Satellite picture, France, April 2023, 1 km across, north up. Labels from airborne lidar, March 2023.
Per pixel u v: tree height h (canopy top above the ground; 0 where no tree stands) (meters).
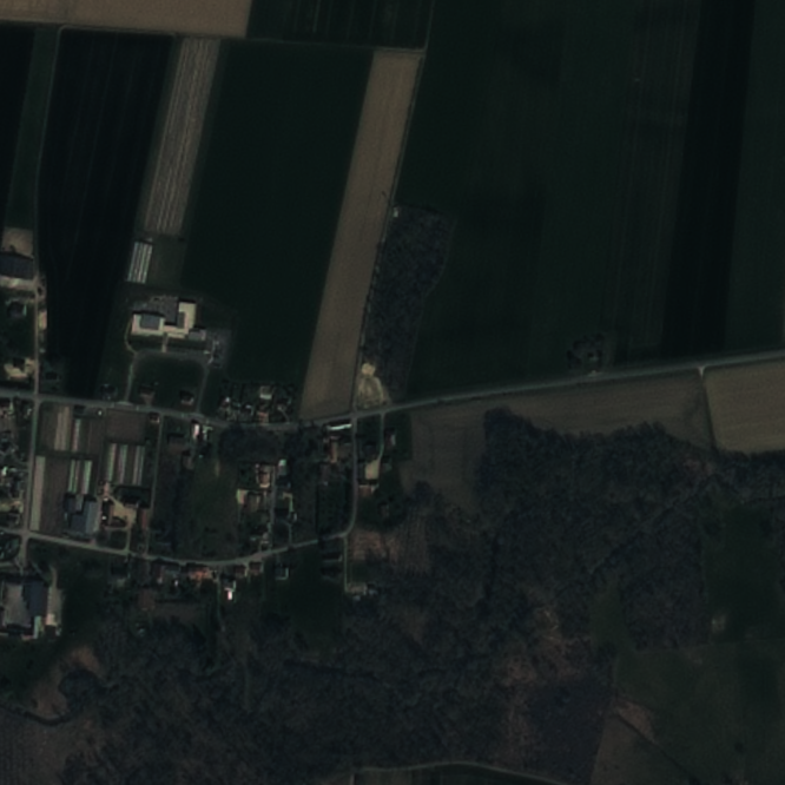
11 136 0
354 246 0
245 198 0
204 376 0
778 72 0
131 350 0
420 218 8
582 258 0
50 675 0
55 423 0
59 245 0
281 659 28
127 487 0
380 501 7
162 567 0
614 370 0
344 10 0
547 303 0
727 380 0
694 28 0
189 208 0
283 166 0
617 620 0
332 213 0
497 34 0
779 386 0
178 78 0
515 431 31
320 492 7
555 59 0
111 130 0
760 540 0
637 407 0
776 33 0
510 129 0
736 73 0
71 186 0
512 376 0
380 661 26
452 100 0
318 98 0
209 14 0
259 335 0
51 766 0
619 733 0
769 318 0
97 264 0
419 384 0
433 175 0
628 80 0
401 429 0
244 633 0
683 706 0
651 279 0
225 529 0
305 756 22
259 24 0
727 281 0
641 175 0
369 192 0
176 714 23
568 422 0
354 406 0
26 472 0
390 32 0
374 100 0
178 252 0
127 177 0
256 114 0
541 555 27
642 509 17
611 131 0
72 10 0
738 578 0
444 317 0
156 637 22
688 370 0
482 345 0
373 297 10
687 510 15
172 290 0
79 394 0
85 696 15
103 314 0
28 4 0
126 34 0
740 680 0
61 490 0
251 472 6
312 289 0
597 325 0
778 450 0
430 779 0
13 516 0
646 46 0
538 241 0
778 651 0
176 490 0
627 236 0
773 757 0
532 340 0
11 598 0
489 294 0
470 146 0
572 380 0
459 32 0
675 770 0
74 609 0
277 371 0
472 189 0
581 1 0
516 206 0
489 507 38
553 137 0
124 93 0
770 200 0
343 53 0
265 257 0
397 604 32
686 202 0
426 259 10
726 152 0
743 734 0
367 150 0
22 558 0
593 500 25
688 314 0
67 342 0
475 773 0
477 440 0
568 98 0
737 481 18
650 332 0
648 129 0
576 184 0
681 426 0
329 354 0
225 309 0
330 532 7
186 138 0
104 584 0
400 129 0
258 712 19
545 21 0
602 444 18
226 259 0
